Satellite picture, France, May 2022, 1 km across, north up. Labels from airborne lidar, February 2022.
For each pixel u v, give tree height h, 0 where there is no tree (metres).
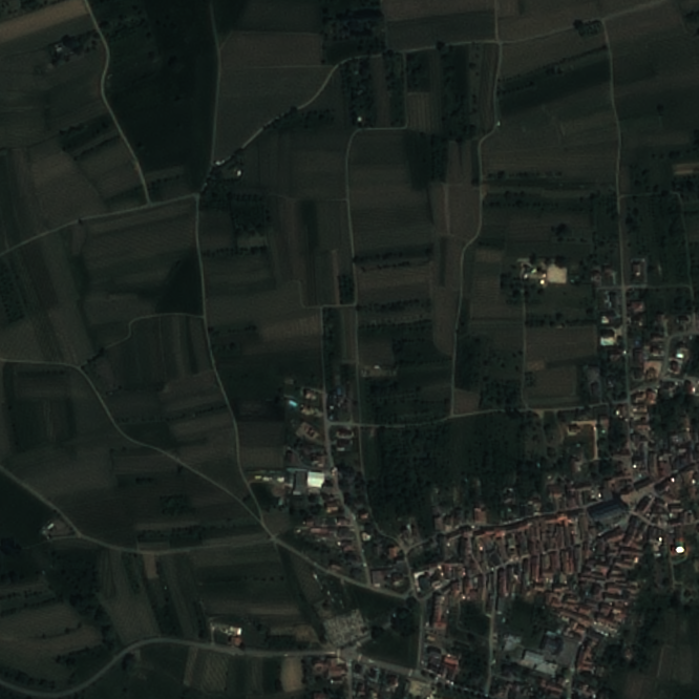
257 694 0
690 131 0
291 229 0
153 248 0
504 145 0
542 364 0
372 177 0
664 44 0
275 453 0
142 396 0
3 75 0
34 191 0
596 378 0
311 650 0
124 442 0
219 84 0
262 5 0
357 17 18
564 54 0
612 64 0
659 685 0
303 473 0
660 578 0
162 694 0
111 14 0
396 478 7
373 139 0
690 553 0
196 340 0
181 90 0
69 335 0
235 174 0
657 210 0
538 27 0
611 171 0
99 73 0
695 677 0
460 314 0
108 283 0
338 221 0
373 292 0
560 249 0
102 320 0
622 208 0
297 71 0
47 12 0
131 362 0
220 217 0
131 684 0
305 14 0
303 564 0
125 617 0
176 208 0
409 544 0
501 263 0
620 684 0
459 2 0
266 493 0
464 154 0
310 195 0
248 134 0
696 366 11
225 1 0
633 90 0
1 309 0
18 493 0
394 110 0
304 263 0
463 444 0
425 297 0
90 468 0
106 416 0
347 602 0
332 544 0
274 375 0
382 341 0
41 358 0
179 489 0
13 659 0
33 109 0
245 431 0
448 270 0
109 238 0
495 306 0
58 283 0
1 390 0
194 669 0
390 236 0
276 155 0
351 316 0
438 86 0
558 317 9
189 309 0
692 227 0
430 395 0
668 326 0
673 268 0
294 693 0
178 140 0
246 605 0
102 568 0
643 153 0
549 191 0
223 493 0
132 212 0
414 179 0
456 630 0
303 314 0
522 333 0
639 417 0
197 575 0
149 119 0
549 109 0
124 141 0
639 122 0
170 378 0
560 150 0
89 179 0
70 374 0
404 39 0
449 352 0
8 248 0
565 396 0
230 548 0
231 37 0
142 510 0
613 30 0
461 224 0
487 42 0
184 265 0
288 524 0
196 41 0
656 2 0
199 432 0
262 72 0
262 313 0
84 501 0
